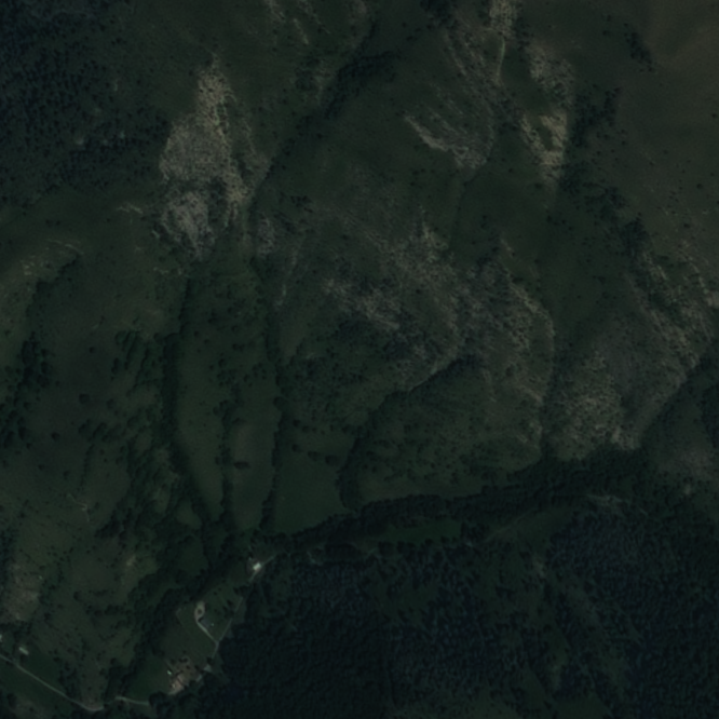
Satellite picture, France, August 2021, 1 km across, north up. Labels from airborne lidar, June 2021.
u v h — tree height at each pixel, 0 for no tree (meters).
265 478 0
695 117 0
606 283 8
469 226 0
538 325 0
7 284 0
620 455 8
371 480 0
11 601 0
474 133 0
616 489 9
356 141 0
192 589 19
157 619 17
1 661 0
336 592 16
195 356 0
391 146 0
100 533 11
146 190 0
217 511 0
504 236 0
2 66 8
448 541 15
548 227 0
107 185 9
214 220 7
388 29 0
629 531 14
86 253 0
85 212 0
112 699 12
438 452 7
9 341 0
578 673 14
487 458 7
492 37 0
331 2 0
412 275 0
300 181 0
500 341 0
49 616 9
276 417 0
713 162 0
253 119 0
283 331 0
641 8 0
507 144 0
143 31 0
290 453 0
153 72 6
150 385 10
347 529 20
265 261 8
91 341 0
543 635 11
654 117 0
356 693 22
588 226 0
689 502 10
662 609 17
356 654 20
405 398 7
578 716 0
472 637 21
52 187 10
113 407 12
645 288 7
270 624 10
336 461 13
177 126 0
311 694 32
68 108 12
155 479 11
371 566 7
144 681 0
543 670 17
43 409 0
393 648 13
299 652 24
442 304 0
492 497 16
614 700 24
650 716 16
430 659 18
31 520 0
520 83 0
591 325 0
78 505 0
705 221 0
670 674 20
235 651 21
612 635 7
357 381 8
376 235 0
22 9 8
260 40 0
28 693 0
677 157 0
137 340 12
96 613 8
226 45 0
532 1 0
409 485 0
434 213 0
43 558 0
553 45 0
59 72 11
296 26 0
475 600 16
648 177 0
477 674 20
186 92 0
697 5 0
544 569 8
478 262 6
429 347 7
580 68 0
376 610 22
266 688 26
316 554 13
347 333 9
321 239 0
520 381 0
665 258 7
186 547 18
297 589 10
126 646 7
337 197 0
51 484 0
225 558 15
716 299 0
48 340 0
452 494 0
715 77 0
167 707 19
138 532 8
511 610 0
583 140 6
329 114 8
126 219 0
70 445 0
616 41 0
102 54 0
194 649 0
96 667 0
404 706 12
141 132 10
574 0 0
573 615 23
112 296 0
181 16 0
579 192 8
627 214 0
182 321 12
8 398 10
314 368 8
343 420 9
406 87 0
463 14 0
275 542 16
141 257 0
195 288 10
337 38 0
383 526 22
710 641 26
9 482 0
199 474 0
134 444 9
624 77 0
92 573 0
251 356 0
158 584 15
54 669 0
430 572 13
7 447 9
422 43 0
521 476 15
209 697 15
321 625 17
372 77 7
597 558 6
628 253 7
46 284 13
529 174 0
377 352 6
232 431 7
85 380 0
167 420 8
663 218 0
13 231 0
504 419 0
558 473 10
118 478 0
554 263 0
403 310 6
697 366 5
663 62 0
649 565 9
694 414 0
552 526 0
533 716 7
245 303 11
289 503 0
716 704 14
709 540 13
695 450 0
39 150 8
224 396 0
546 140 0
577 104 7
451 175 6
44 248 0
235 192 0
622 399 7
